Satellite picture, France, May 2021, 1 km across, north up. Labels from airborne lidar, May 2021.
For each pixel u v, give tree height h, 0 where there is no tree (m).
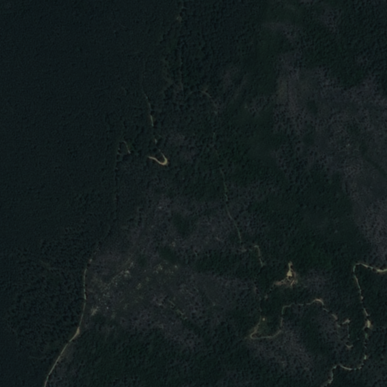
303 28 8
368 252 6
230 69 14
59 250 22
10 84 18
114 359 9
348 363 16
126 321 7
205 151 20
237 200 5
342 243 6
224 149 20
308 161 15
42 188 20
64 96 20
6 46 23
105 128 21
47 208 20
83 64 19
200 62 22
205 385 14
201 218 13
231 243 11
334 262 16
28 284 16
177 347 21
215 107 18
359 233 10
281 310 9
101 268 13
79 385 20
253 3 11
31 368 15
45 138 19
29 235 22
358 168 12
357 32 11
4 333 18
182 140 20
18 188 17
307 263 12
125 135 22
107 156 20
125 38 21
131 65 22
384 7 20
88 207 20
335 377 14
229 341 13
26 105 17
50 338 21
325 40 8
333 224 11
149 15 18
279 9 6
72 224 21
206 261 15
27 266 18
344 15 8
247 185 13
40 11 16
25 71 22
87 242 22
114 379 13
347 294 18
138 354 15
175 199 17
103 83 20
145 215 16
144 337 9
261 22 6
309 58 7
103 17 19
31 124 19
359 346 17
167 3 22
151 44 23
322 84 17
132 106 23
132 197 23
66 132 17
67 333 18
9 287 10
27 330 19
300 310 13
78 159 18
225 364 18
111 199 23
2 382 16
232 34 17
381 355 17
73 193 21
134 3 19
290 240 6
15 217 19
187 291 9
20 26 18
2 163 17
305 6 16
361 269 19
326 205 13
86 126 19
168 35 20
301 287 11
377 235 14
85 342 12
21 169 17
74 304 21
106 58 18
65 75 19
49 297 18
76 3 12
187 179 15
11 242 22
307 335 11
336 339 6
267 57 6
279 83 11
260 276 13
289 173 22
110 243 24
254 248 8
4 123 19
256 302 15
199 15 21
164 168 19
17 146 18
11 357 17
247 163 13
